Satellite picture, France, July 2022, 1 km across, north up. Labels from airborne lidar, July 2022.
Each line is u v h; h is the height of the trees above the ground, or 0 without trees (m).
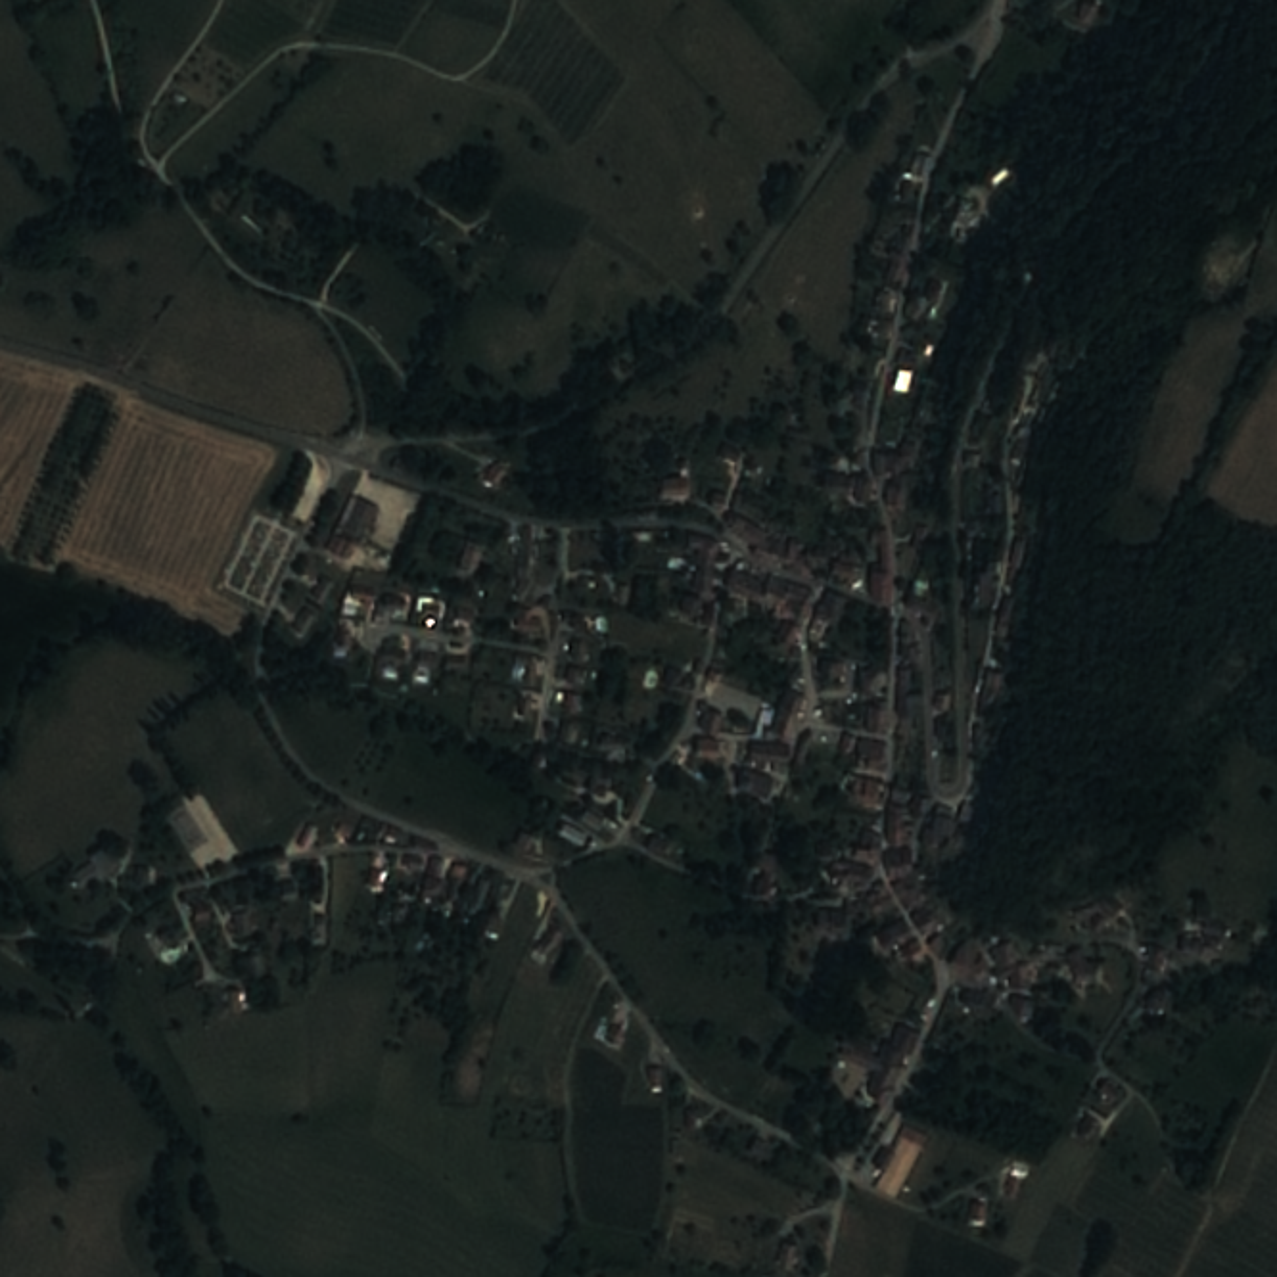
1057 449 18
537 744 6
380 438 0
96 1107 0
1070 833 10
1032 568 6
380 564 0
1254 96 25
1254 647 6
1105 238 21
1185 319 7
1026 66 0
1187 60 22
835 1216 0
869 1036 7
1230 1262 0
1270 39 27
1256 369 13
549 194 0
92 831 0
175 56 0
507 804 0
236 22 0
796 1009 23
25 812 0
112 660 0
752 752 0
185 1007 0
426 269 20
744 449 6
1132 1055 6
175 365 0
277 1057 0
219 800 0
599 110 0
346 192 0
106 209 12
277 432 0
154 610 28
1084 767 21
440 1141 0
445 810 0
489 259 0
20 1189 0
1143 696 8
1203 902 14
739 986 0
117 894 6
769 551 0
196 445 0
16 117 0
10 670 0
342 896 0
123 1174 0
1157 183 20
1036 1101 12
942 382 13
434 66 0
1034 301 19
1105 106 31
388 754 7
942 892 7
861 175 0
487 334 0
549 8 0
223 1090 0
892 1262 0
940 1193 9
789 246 0
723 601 18
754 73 0
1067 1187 0
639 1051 0
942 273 0
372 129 0
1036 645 16
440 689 8
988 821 13
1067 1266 0
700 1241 0
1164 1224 0
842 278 0
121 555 0
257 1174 0
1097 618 13
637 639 0
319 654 14
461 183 19
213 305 0
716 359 0
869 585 0
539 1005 0
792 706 0
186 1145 13
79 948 15
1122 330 7
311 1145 0
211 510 0
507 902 0
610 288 0
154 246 0
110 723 0
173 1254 16
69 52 0
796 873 23
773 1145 7
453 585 12
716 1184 0
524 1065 10
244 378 0
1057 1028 18
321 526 10
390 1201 0
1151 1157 0
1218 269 0
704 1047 9
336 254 10
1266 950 14
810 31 0
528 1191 0
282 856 8
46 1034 0
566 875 10
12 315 0
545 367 0
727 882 10
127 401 0
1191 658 7
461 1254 0
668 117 0
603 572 7
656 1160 0
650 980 0
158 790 19
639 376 12
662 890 0
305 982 8
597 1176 0
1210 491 0
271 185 18
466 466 0
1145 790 10
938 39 11
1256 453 0
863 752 0
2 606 0
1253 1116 0
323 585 0
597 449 13
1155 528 0
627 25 0
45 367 0
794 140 0
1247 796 0
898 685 0
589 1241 0
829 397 14
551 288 0
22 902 8
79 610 0
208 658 18
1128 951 6
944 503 13
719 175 0
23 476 0
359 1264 0
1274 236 0
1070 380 16
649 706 0
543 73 0
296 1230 0
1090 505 21
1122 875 17
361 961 7
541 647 9
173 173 0
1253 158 20
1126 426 17
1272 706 21
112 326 0
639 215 0
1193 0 25
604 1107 0
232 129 0
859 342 21
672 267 0
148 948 0
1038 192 23
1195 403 0
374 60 0
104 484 0
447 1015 10
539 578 0
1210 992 20
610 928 0
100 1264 0
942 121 0
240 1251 0
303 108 0
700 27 0
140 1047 0
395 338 0
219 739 0
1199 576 7
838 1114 17
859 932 11
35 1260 0
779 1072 10
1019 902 14
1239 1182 0
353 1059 0
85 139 8
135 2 0
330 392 0
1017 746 19
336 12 0
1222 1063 0
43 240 12
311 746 0
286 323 0
